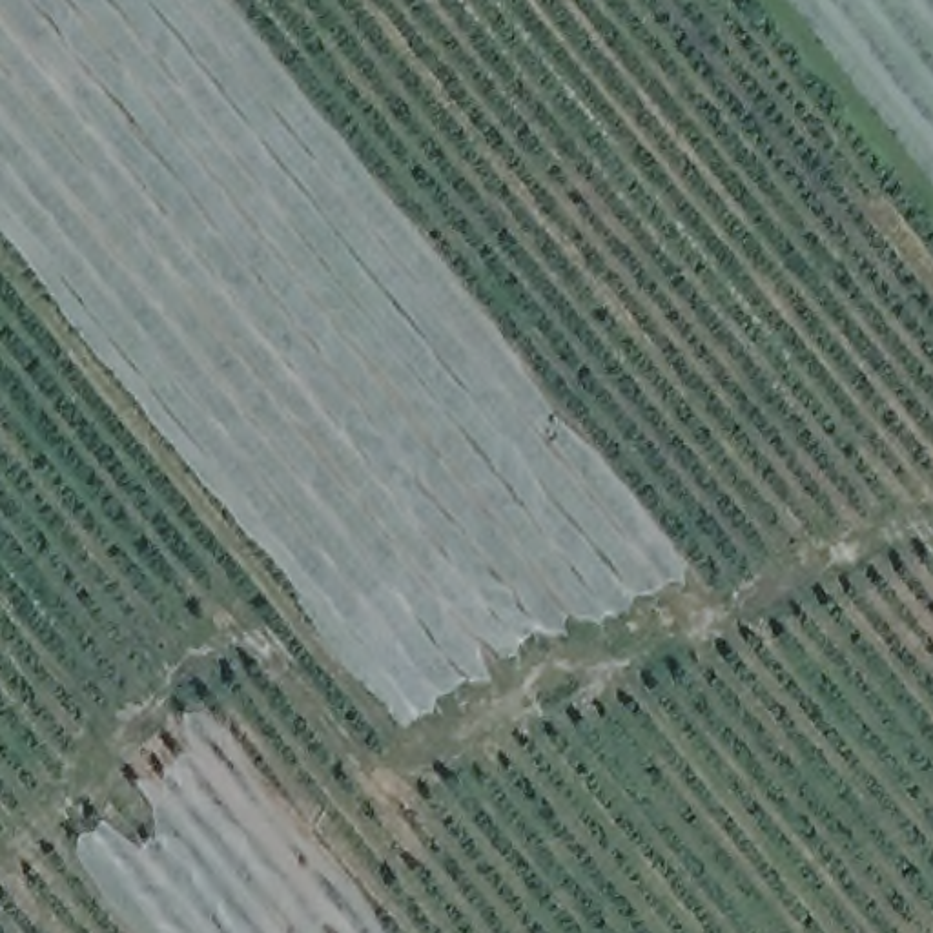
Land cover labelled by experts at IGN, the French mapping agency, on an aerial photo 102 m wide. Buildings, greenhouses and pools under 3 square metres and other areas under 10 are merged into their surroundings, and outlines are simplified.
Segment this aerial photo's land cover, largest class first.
<instances>
[{"label":"deciduous trees","instance_id":"1","mask_svg":"<svg viewBox=\"0 0 933 933\"><path fill-rule=\"evenodd\" d=\"M900 182L878 164V157L853 131V124H842L827 80L802 69L798 51L780 40L769 11L758 0H0V762H7L18 773V780L33 791V762L62 776L58 762L73 751V736L40 703V689H51L58 703L87 729V736H109L117 729V711L124 703H138L146 696L171 703L175 671L190 660V645H204L211 638V616L219 609L233 612L244 634L266 627L273 638H281L295 667L350 725L361 747L379 751L375 725L357 714V707L335 685V678L273 612V605L255 590V583L226 554V547L204 528V521L193 514L186 496H179L171 477L146 456V448L109 412L95 386L77 372V364L62 354L55 335L15 295L18 284H29L40 295V302L55 299L62 306L69 324H77V332L95 346V354L135 394L149 423L179 448V456L197 470V477L230 507L237 525L292 579L295 594L317 623L324 652L335 663H343L357 682H364L397 722H415L430 714L437 700L459 685L488 682V663L518 652L536 634L558 638L569 620L605 623L631 609L634 598L663 594L671 583L685 579V565H696L711 587H736L747 576L762 583L809 569L816 583L827 590V601H805L798 616L784 620V634L773 638L769 623L754 620V634L740 638V627L733 620H722L714 631L722 641L733 645L729 656H718L714 638L674 645L671 656H678L682 674H671L663 656H649L641 667L652 671V689L641 685L638 667H627L623 674H616V689H605L598 696L605 714L579 718L558 736H547L543 725L532 722L528 747L510 754V765H499V758L485 765L459 762L452 765V780L430 784V798L397 805V816L412 827V835L423 846L415 853H405L408 875L394 878L390 864H379L375 871L394 897L390 907L372 911L386 933H933V273L918 281L915 273H907L893 244L867 222L864 211L871 208V197L886 193L893 200ZM849 601L882 634L889 652L878 656L864 638L849 645V634L856 631L842 612ZM795 11L809 18L813 33L824 40L835 62L846 69L853 87L900 135L907 157L915 164H926L933 157V0H791ZM208 700L200 707L215 718L226 703H237L244 718L270 740L284 765L295 762V751L281 740V733L288 729L302 740L310 754H317L324 743L306 725V718L288 703L281 685H273L262 674L259 660L248 649H230L219 660V667L204 678ZM95 827H98V813H95V802H84V805H80V813H73V816H66V820H62V835H66V838L87 835V831H95ZM44 860L55 871L47 878L33 871V864H22V878L47 911L58 915V922L69 933H124L98 904L91 882L51 849Z\"/></svg>","mask_w":933,"mask_h":933},{"label":"herbaceous vegetation","instance_id":"2","mask_svg":"<svg viewBox=\"0 0 933 933\"><path fill-rule=\"evenodd\" d=\"M769 11L780 40L798 51L802 69L827 80L842 124H853V131L878 157V164L900 182L893 200L886 193L871 197V208L864 211L867 222L893 244L907 273H915L918 281L933 273V157L926 164H915L907 157L900 135L853 87L846 69L835 62L824 40L813 33L809 18L795 11L791 0H758ZM15 295L55 335L62 354L77 364V372L95 386L109 412L146 448V456L171 477L179 496H186L193 514L204 521V528L226 547V554L255 583V590L273 605V612L335 678V685L357 707V714L375 725L379 751L361 747L350 725L295 667L281 638H273L266 627L244 634L233 612L219 609L211 616V638L204 645H190V660L175 671L171 703L146 696L138 703H124L117 711V729L109 736H87V729L58 703L51 689H40V703L73 736V751L58 762L62 776L33 762V791L18 780V773L7 762H0V933H69L58 922V915L47 911L22 878V864H33V871L47 878L55 871L44 860L51 849L91 882L98 904L124 933H386L372 911L390 907L394 897L375 871L379 864H390L394 878L408 875L405 853H415L423 846L412 835V827L397 816V805L430 798V784L452 780V765L459 762L485 765L499 758V765H510V754L528 747L532 722L543 725L547 736H558L579 718L605 714L598 696L605 689H616V674H623L627 667H638L641 685L652 689V671L641 667L649 656H663L671 674H682L678 656H671L674 645L714 638L718 656H729L733 645L722 641L714 631L722 620H733L740 627V638L754 634V620L769 623L773 638L784 634V620L798 616L805 601H827V590L816 583L809 569L762 583L747 576L736 587H711L696 565H685V579L671 583L663 594L634 598L631 609L605 623L569 620L558 638L536 634L518 652L488 663V682L459 685L437 700L430 714L415 722H397L364 682H357L343 663H335L324 652L317 623L295 594L292 579L237 525L230 507L197 477V470L179 456V448L149 423L135 394L95 354V346L77 332V324H69L62 306L55 299L40 302V295L29 284H18ZM230 649H248L259 660L262 674L273 685H281L288 703L306 718V725L324 743L317 754H310L302 740L288 729L281 733V740L295 751V762L284 765L270 740L244 718L237 703H226L215 718L200 707L208 700L204 678L219 667V660ZM84 802H95V813H98V827H95V831H87V835L66 838V835H62V820H66V816H73V813H80V805H84ZM842 612L856 631L849 634V645L864 638L878 656L889 652L882 634L849 601Z\"/></svg>","mask_w":933,"mask_h":933}]
</instances>
